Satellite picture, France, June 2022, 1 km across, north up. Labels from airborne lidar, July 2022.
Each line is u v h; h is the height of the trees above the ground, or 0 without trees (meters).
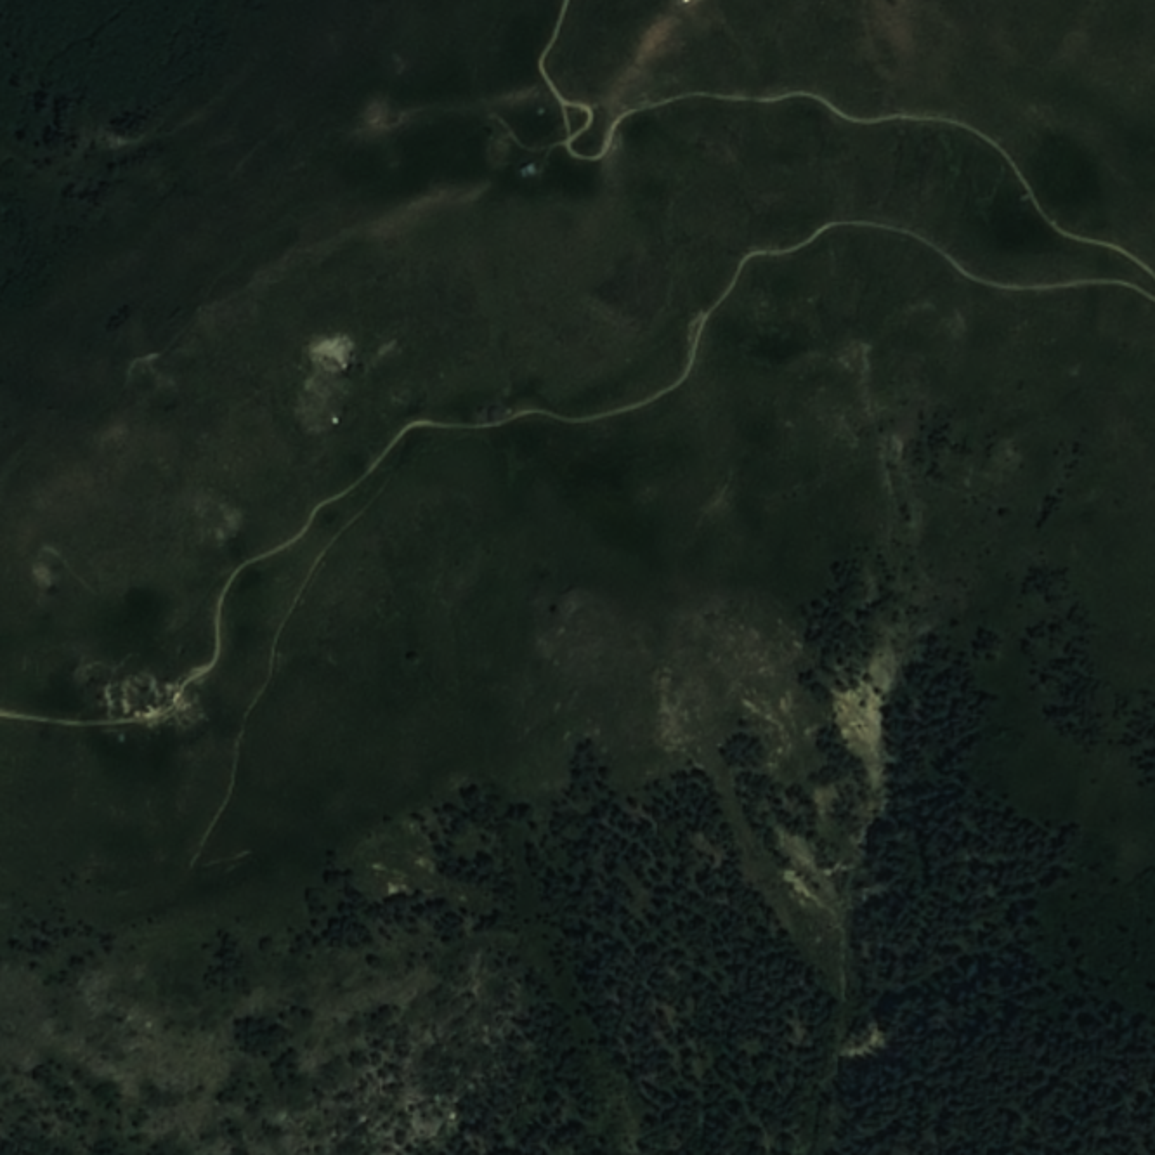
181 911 0
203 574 0
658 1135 9
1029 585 6
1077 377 0
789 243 0
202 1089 7
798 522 0
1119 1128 25
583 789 6
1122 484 0
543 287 0
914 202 0
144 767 0
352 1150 7
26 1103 7
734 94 0
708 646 0
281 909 0
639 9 0
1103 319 0
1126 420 0
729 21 0
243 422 0
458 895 0
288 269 0
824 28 0
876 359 0
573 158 0
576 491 0
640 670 0
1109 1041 26
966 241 0
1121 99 0
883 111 0
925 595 0
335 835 0
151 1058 0
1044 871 22
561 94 0
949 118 0
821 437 0
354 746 0
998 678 0
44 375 0
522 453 0
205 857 0
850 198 0
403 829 0
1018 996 30
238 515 0
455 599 0
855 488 0
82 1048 0
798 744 0
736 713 0
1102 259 0
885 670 0
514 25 0
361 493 0
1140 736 10
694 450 0
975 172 0
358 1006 0
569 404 0
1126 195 0
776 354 0
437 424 0
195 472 0
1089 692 13
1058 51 0
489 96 0
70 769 0
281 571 0
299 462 0
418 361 0
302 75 0
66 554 0
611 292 0
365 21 0
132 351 0
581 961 14
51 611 0
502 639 0
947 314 0
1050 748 0
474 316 0
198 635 0
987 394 0
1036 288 0
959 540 0
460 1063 9
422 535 0
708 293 0
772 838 15
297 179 0
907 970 13
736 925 25
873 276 0
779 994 29
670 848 10
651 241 0
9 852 0
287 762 0
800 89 0
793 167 0
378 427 0
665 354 0
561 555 0
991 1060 23
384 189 0
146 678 0
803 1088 21
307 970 0
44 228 0
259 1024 10
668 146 0
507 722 0
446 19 0
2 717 0
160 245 0
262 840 0
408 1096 0
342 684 0
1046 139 0
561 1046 13
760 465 0
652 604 0
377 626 0
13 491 0
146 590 0
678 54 0
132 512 0
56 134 9
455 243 0
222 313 0
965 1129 24
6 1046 0
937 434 7
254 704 0
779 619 0
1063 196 0
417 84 0
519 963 14
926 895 7
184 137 0
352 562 0
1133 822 0
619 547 0
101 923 0
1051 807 0
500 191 0
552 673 0
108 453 0
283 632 0
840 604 11
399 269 0
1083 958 8
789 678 0
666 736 0
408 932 6
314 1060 0
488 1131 29
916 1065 14
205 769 0
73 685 0
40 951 16
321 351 0
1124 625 0
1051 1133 25
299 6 0
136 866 0
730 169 0
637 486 0
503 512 0
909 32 0
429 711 0
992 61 0
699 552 0
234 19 0
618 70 0
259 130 0
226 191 0
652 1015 24
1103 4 0
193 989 0
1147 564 0
